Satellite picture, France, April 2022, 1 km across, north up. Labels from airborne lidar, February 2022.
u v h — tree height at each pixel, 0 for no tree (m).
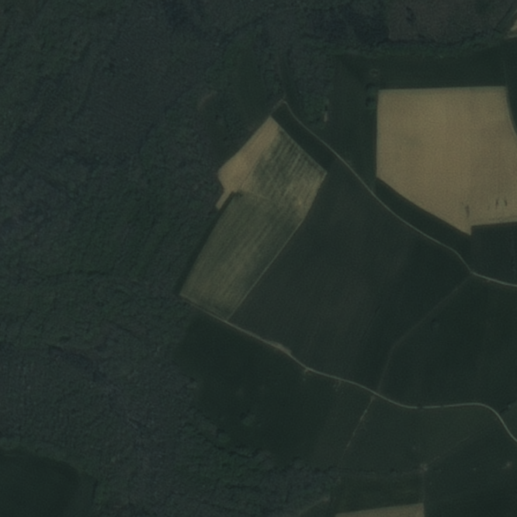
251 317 0
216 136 0
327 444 0
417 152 0
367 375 0
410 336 0
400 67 0
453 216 0
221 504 26
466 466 0
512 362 0
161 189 24
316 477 28
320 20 19
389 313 0
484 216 0
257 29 18
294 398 0
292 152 0
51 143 31
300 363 0
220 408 0
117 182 24
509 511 0
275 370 0
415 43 11
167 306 29
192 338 0
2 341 17
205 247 0
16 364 13
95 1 26
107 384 21
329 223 0
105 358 26
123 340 31
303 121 0
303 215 0
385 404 0
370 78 0
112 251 17
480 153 0
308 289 0
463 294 0
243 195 0
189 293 0
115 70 16
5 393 12
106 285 28
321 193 0
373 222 0
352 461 0
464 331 0
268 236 0
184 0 21
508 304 0
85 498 0
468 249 0
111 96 11
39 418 13
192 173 30
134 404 29
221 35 21
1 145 20
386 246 0
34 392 15
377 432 0
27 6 0
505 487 0
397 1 0
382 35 19
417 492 0
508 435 0
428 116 0
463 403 0
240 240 0
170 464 15
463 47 14
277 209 0
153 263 8
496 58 0
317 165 0
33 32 23
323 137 0
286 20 24
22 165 33
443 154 0
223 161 0
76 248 23
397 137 0
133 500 33
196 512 26
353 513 0
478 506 0
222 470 22
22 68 32
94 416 18
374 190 0
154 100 13
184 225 9
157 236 20
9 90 28
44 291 30
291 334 0
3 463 0
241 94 0
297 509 26
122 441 16
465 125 0
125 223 18
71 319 29
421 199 0
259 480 27
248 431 0
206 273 0
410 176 0
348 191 0
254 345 0
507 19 7
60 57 27
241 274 0
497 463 0
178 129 22
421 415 0
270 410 0
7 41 20
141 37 17
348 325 0
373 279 0
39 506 0
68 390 14
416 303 0
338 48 18
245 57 0
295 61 21
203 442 21
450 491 0
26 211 29
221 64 16
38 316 21
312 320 0
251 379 0
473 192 0
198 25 20
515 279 0
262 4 16
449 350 0
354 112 0
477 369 0
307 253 0
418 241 0
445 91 0
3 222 27
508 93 0
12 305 23
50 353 13
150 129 13
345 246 0
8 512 0
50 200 31
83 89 36
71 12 28
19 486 0
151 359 10
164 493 18
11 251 29
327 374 0
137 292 27
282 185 0
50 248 31
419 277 0
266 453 17
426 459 0
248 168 0
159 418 15
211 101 0
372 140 0
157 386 16
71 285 25
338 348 0
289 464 0
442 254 0
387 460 0
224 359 0
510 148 0
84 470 8
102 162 15
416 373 0
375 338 0
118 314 27
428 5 0
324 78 21
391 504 0
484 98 0
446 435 0
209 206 22
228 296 0
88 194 29
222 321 0
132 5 26
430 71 0
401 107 0
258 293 0
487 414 0
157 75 19
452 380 0
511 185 0
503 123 0
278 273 0
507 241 0
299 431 0
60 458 16
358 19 24
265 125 0
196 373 0
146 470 21
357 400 0
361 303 0
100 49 26
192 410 13
